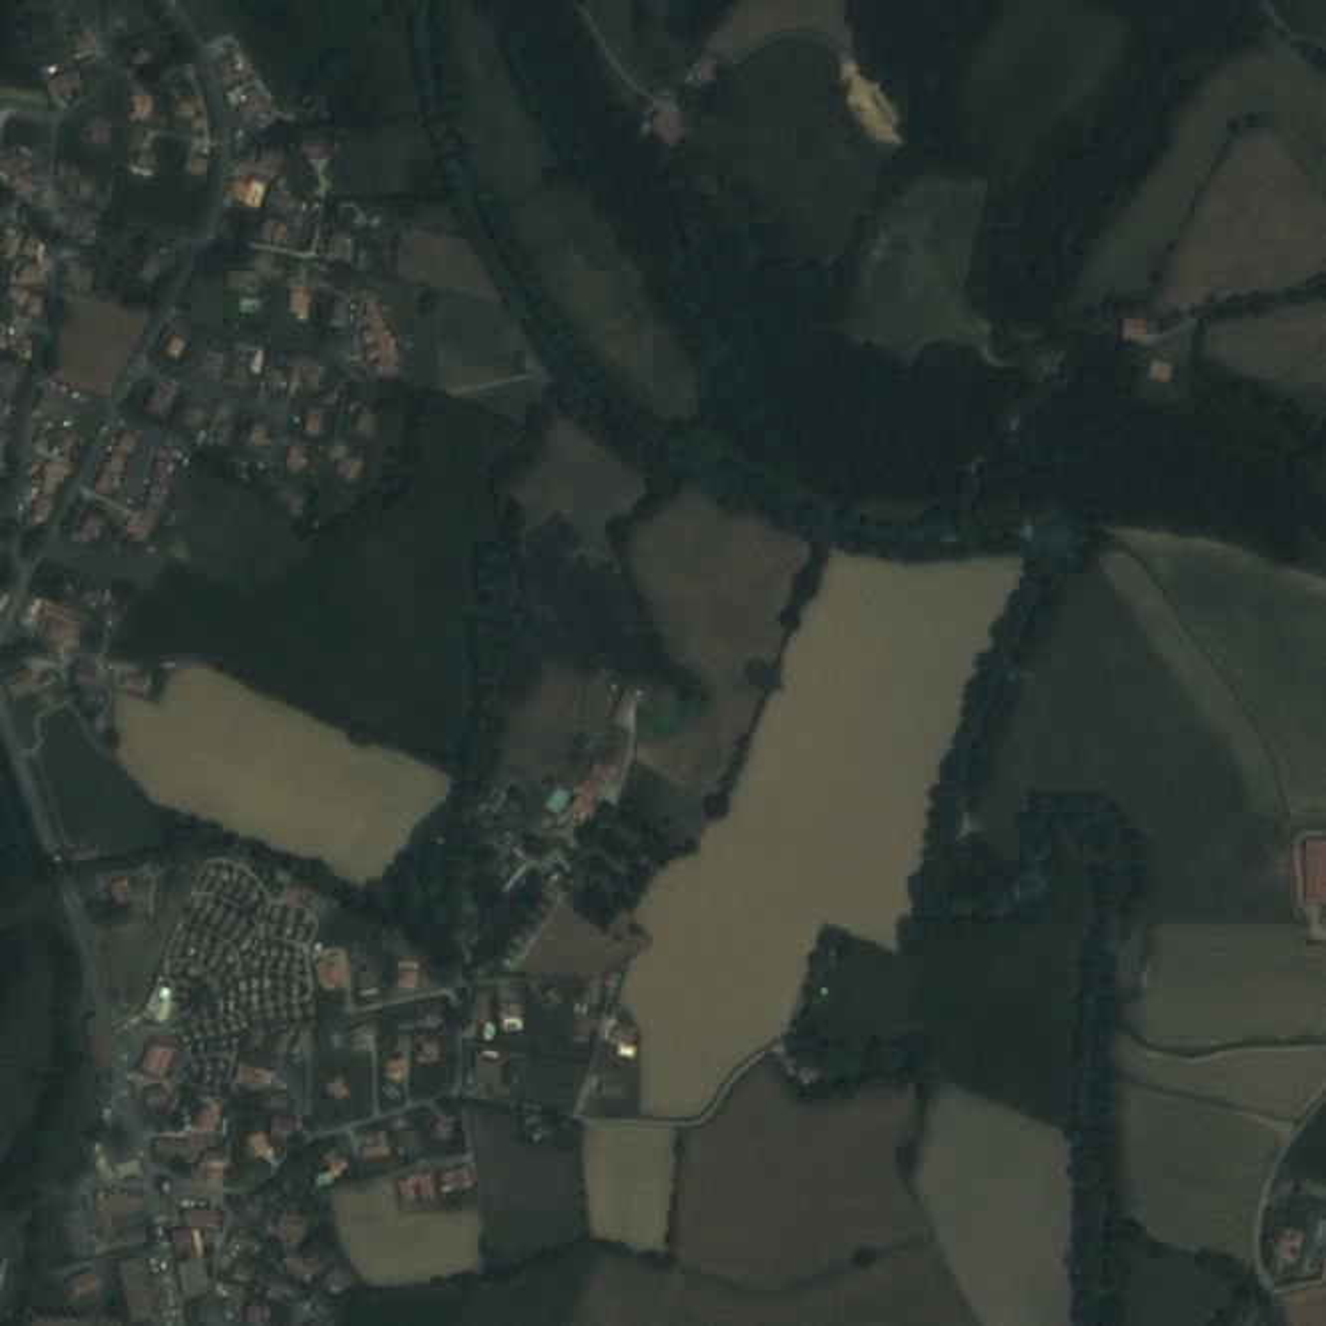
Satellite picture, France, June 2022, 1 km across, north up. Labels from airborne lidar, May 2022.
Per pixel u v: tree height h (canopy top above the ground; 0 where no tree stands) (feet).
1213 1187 0
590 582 117
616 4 0
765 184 0
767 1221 0
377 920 34
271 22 60
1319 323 0
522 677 110
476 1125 0
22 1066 0
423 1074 0
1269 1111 0
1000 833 0
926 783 0
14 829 0
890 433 92
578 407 78
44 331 0
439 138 43
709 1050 0
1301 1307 0
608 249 0
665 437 72
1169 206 0
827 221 0
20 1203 43
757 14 0
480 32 0
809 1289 0
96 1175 0
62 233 25
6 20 43
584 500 0
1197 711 0
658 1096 0
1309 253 0
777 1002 0
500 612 95
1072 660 0
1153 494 37
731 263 76
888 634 0
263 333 28
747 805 0
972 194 0
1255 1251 0
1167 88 55
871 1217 0
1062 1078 0
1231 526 38
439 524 0
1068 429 59
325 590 0
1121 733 0
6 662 54
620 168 61
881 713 0
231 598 0
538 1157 0
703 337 34
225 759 0
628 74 0
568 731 0
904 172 63
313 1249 32
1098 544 64
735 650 0
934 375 88
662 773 0
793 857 0
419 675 0
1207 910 0
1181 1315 0
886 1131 0
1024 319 62
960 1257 0
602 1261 0
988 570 0
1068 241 78
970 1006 0
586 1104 0
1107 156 80
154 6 26
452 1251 0
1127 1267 80
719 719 0
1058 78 0
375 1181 0
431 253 0
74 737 0
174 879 0
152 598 0
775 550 0
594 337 0
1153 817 0
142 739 0
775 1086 0
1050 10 0
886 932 0
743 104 0
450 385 0
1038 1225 0
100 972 0
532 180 0
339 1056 0
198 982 22
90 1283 0
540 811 0
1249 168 0
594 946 0
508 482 23
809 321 73
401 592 0
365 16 0
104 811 0
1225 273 0
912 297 0
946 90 36
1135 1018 0
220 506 0
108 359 0
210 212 0
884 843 0
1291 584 0
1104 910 52
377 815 0
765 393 61
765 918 0
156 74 42
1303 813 0
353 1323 0
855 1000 0
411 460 58
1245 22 34
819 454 59
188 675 0
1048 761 0
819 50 0
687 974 0
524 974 20
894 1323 0
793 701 0
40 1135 33
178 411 18
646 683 40
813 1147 0
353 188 0
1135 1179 0
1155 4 75
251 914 24
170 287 51
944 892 30
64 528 23
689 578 0
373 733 31
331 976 0
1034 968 0
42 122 0
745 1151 0
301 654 0
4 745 71
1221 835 0
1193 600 0
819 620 0
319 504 24
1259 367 0
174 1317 0
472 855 59
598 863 51
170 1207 0
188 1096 43
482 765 78
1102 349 34
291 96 0
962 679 0
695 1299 0
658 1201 0
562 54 84
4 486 32
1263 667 0
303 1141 43
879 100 0
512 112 0
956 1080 0
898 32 98
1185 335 0
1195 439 23
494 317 0
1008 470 106
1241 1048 0
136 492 0
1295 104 0
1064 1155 0
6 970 19
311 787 0
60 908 0
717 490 44
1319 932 0
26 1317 33
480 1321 0
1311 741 0
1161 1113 0
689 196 44
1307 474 61
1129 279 0
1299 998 0
